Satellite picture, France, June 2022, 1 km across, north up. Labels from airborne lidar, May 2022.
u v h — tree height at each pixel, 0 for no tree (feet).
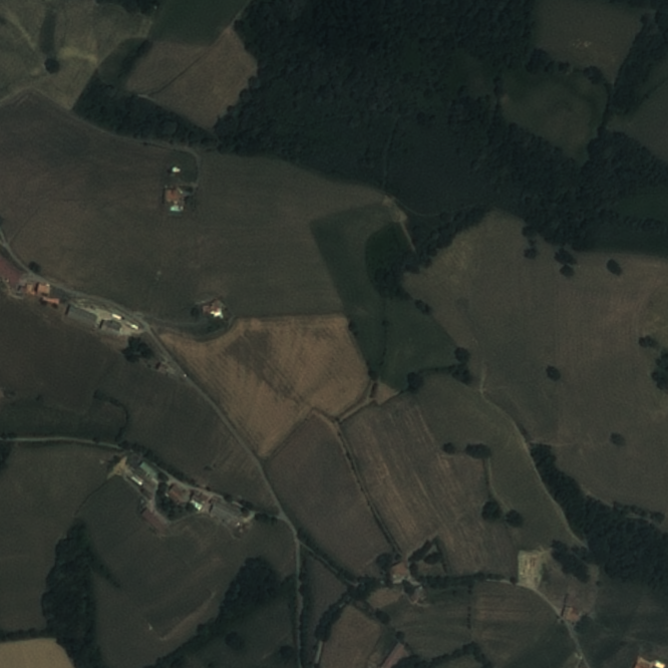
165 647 0
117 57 0
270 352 0
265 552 0
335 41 68
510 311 0
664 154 0
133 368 0
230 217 0
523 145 53
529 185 51
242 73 0
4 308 0
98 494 0
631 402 0
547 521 0
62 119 0
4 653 0
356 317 0
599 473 0
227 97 0
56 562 30
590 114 0
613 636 0
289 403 0
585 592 0
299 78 58
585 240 39
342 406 0
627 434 0
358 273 0
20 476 0
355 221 0
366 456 0
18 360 0
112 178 0
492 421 0
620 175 62
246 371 0
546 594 0
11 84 0
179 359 0
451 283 0
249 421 0
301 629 35
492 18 56
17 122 0
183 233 0
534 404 0
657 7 49
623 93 62
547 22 0
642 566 77
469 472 0
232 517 0
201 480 0
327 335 0
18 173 0
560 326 0
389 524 0
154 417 0
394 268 45
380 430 0
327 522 0
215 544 0
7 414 0
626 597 0
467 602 0
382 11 39
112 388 0
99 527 0
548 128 0
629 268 0
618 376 0
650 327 0
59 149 0
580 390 0
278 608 0
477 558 0
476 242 0
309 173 0
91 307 0
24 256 0
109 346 0
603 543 94
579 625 45
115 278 0
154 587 0
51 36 0
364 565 0
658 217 0
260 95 60
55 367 0
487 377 0
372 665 0
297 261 0
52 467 0
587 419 0
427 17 48
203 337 0
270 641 0
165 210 0
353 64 45
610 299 0
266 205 0
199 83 0
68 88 0
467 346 0
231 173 0
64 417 0
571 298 0
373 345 0
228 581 0
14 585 0
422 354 0
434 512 0
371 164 28
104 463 0
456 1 47
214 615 0
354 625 0
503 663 0
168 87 0
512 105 0
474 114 46
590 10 0
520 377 0
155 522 0
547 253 0
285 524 0
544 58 83
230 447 0
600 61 0
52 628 42
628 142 85
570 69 37
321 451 0
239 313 0
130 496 0
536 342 0
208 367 0
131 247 0
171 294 0
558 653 0
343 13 23
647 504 0
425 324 0
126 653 0
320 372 0
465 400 0
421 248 18
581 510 34
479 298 0
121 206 0
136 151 0
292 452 0
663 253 0
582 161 0
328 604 0
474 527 0
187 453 0
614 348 0
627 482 0
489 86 0
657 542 76
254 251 0
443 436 0
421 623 0
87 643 77
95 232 0
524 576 0
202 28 0
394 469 0
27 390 0
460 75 0
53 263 0
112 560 0
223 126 43
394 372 0
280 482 0
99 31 0
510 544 0
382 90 55
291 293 0
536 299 0
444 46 52
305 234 0
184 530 0
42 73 0
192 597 0
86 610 33
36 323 0
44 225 0
